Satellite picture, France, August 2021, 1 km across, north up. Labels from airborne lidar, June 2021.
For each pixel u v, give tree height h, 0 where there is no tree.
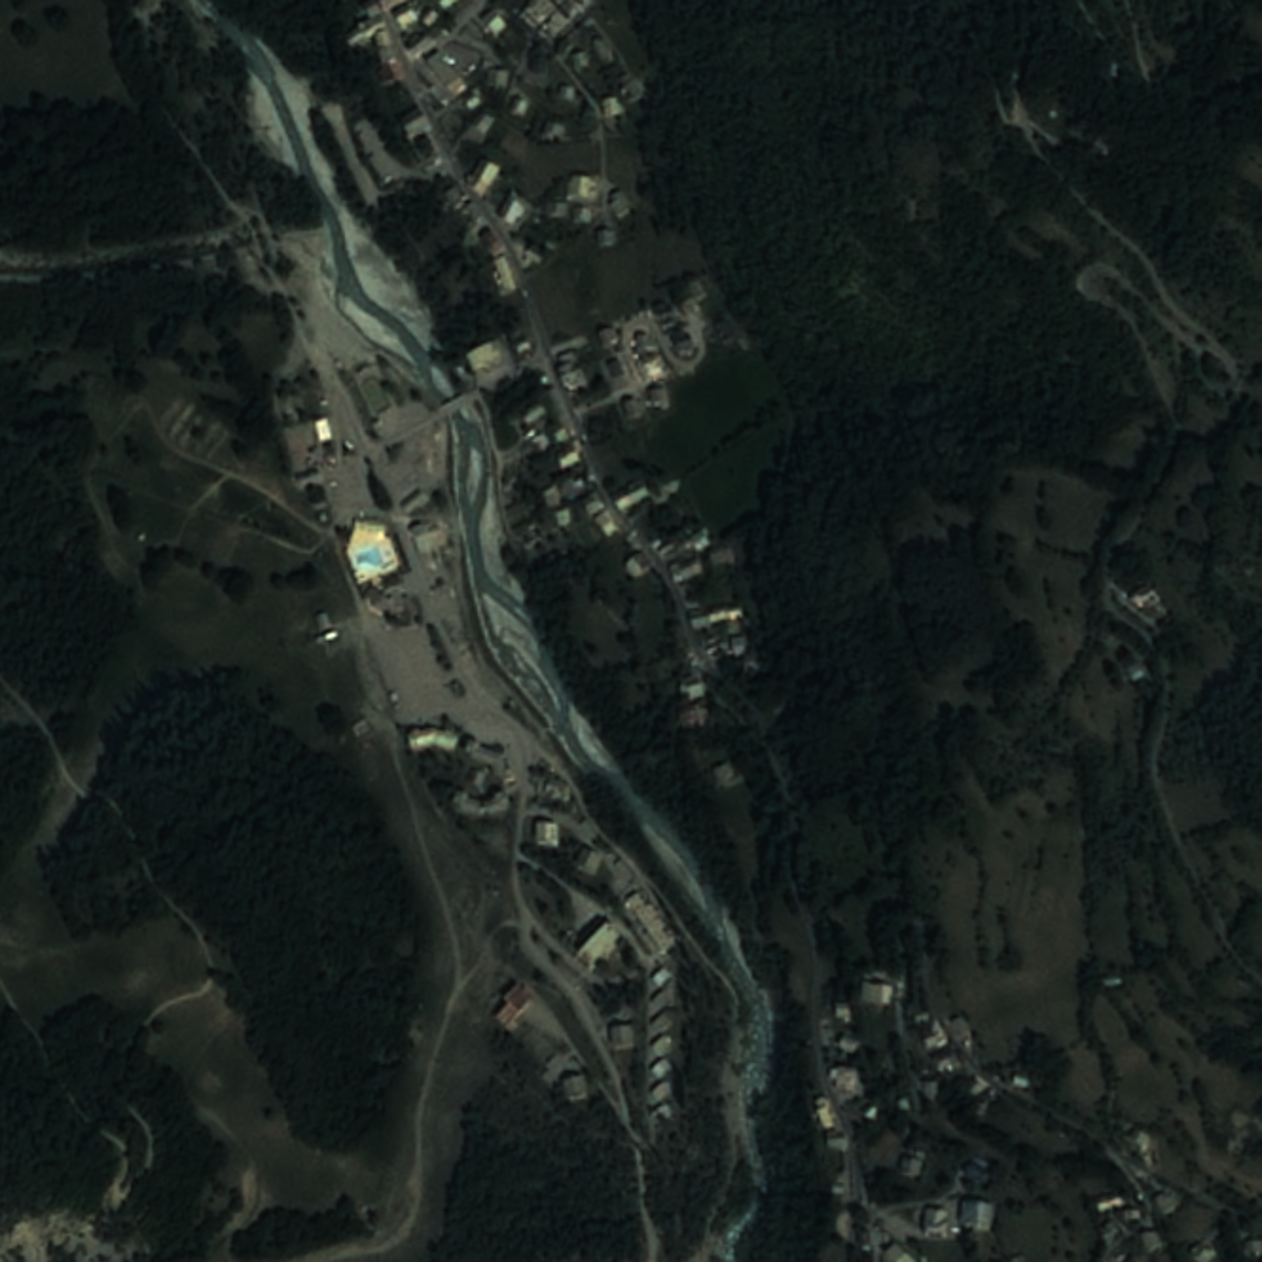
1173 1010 11
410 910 20
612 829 13
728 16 14
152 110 16
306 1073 19
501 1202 10
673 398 0
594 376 0
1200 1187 0
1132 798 7
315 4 17
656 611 0
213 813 30
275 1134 0
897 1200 6
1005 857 0
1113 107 19
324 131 12
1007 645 14
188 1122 12
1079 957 0
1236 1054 14
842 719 18
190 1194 13
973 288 13
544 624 11
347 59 10
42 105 17
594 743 0
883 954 20
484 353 0
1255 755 11
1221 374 9
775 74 5
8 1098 22
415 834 0
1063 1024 0
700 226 14
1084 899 9
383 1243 0
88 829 9
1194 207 13
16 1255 11
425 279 7
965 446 13
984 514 11
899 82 12
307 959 17
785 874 19
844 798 16
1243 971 6
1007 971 6
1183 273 15
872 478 21
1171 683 9
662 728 10
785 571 22
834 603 20
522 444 0
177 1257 15
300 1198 0
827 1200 13
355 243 0
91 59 0
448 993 0
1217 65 18
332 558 0
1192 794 0
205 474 0
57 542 14
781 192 11
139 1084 19
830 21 10
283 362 0
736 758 13
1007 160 14
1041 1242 0
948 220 9
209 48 0
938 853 0
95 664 18
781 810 13
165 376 0
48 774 10
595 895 13
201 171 8
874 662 19
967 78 29
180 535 0
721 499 0
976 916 5
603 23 0
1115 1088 6
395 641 0
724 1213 7
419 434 0
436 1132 0
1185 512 8
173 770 26
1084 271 8
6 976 0
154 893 14
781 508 20
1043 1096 13
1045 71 17
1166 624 9
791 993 9
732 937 0
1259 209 10
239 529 0
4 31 0
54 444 23
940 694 0
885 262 5
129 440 9
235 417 10
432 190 9
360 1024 11
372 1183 0
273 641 0
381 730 0
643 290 0
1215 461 11
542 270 0
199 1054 0
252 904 16
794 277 12
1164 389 0
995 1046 0
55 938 0
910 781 20
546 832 0
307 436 0
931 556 14
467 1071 0
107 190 23
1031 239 15
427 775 10
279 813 21
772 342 17
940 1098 10
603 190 0
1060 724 6
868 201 10
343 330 0
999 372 16
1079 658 6
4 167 11
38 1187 18
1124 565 21
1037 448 18
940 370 11
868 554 7
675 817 13
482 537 0
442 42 0
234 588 18
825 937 16
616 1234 14
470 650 0
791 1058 14
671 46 18
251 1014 10
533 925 0
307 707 0
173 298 21
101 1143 15
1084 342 12
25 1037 16
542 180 0
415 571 0
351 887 11
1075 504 0
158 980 0
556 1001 0
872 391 21
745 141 11
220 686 11
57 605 14
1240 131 22
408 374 0
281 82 0
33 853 0
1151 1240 0
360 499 0
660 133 12
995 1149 17
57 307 13
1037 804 0
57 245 10
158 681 0
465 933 0
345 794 14
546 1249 15
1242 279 6
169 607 0
